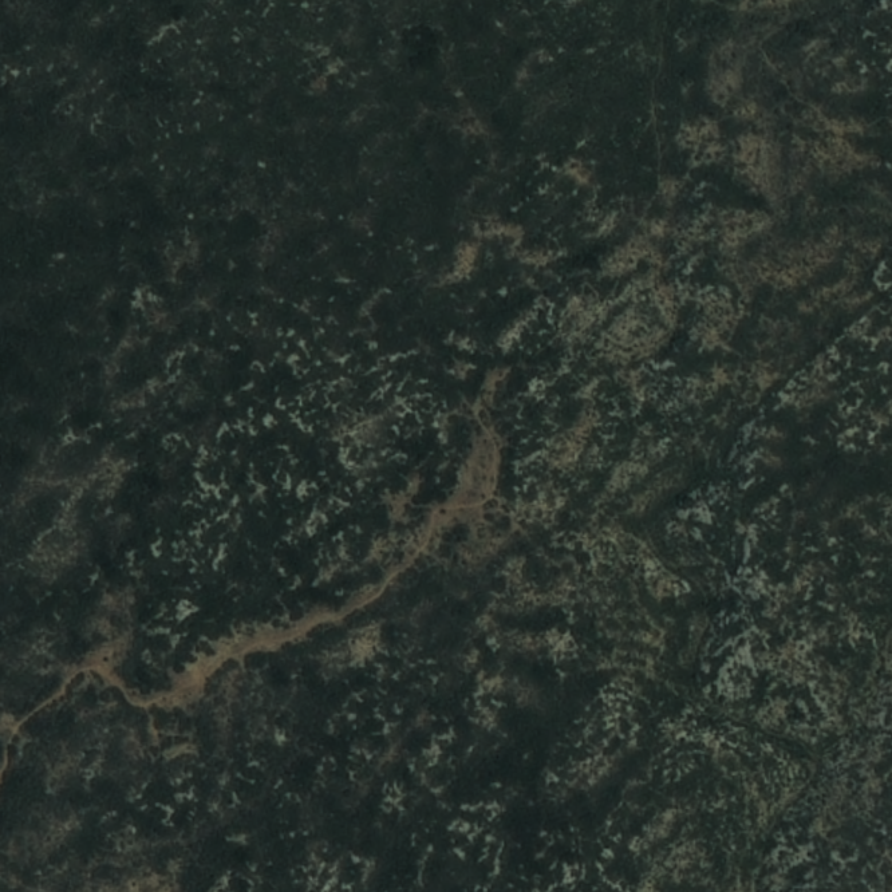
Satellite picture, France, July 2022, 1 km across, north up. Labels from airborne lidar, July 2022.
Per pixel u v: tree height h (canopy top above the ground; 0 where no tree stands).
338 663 0
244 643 0
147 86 6
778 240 0
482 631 0
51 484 0
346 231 0
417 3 0
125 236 0
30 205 0
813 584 0
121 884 0
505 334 0
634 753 0
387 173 0
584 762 0
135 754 0
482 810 0
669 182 0
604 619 0
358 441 0
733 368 0
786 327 0
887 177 0
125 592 0
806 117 0
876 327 0
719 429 0
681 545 0
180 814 6
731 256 0
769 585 0
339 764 5
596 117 0
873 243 0
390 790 0
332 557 0
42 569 0
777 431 0
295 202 0
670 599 6
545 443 0
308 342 0
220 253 0
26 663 0
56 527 0
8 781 5
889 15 0
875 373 0
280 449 0
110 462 0
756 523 0
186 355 0
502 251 0
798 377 0
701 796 0
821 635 0
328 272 0
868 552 0
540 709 0
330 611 0
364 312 0
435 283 0
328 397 0
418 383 0
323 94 0
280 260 0
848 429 0
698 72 0
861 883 0
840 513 0
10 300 0
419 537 0
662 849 0
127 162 0
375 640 0
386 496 0
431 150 0
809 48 0
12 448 5
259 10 0
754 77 0
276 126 0
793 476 0
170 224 0
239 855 5
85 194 0
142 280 0
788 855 0
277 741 0
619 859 0
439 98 0
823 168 0
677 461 0
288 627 0
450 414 0
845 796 0
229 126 0
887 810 0
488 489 0
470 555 0
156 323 0
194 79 0
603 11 0
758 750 0
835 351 0
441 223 0
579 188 0
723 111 0
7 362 6
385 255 0
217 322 0
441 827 0
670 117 0
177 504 0
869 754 0
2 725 0
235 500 0
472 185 0
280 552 5
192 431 0
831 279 0
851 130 0
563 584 0
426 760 0
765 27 0
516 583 0
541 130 0
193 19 0
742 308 0
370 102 0
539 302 0
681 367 0
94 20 0
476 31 0
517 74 0
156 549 0
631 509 0
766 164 0
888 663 0
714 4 6
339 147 0
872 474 0
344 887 0
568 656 0
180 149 0
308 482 0
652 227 0
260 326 0
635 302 0
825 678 0
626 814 0
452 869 0
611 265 0
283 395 0
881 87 0
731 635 0
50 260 0
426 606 0
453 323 0
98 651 0
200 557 0
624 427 6
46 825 0
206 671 0
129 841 0
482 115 0
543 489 0
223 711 0
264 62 0
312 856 0
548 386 0
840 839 0
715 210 0
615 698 0
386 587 0
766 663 0
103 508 0
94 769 0
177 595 0
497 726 0
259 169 0
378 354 0
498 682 0
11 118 6
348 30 0
